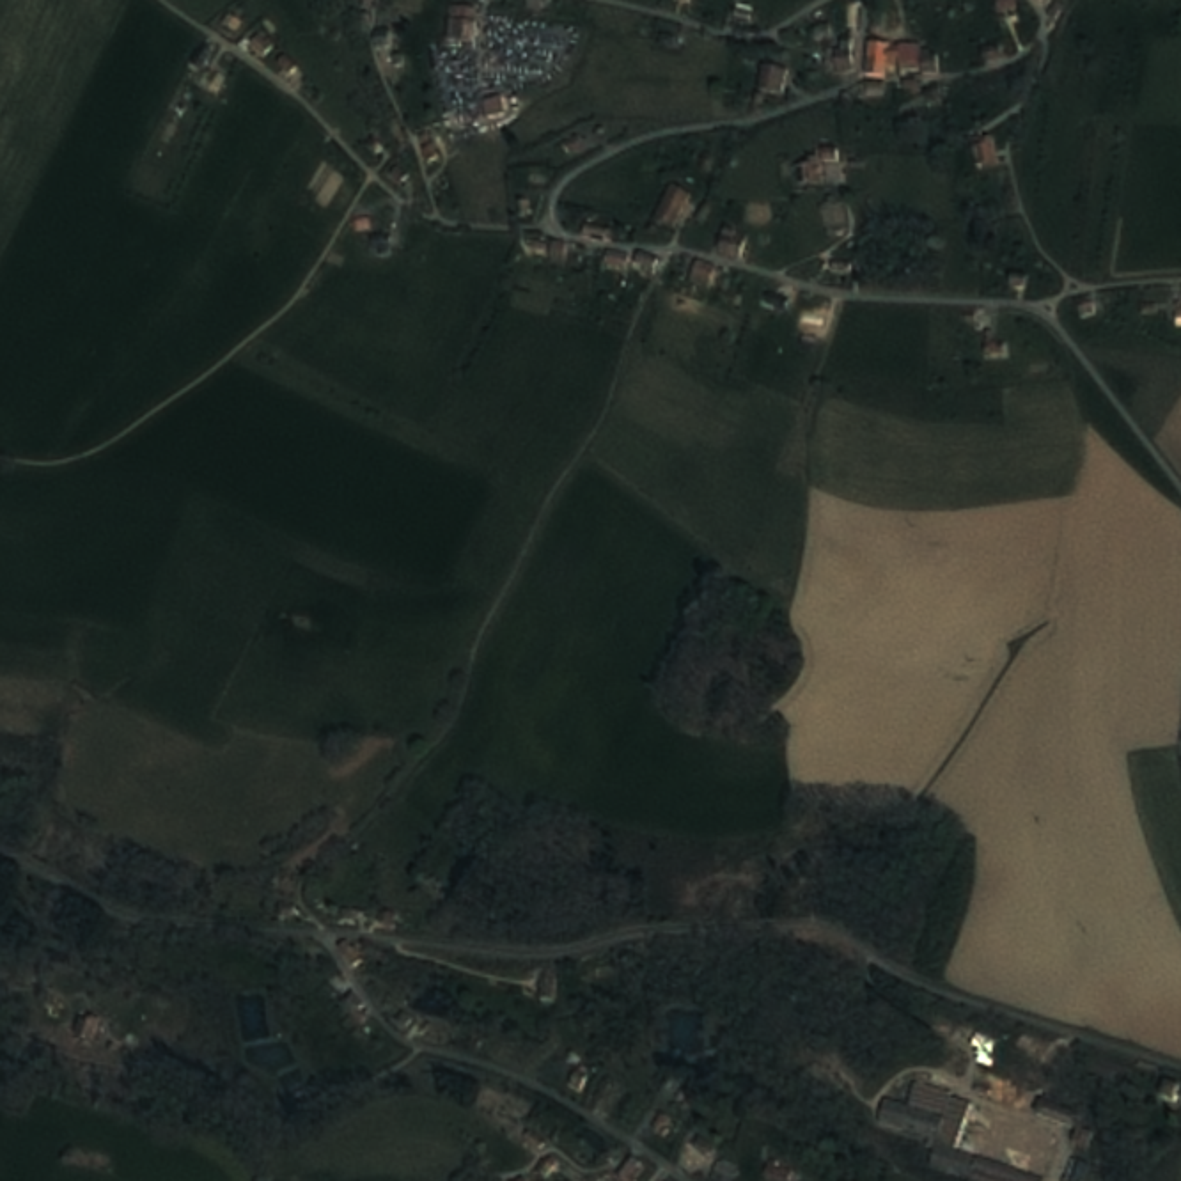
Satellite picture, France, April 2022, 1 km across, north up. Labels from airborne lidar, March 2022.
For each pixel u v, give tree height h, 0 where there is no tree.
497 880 26
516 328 0
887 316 0
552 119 0
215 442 0
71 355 0
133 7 0
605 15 0
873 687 0
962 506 0
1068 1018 0
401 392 0
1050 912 0
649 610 0
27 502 0
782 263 0
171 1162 0
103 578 0
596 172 0
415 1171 0
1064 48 0
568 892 24
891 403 0
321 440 0
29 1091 23
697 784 0
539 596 0
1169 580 0
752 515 0
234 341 0
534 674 0
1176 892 0
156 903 22
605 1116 0
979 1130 0
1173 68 0
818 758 0
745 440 0
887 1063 22
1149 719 0
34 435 0
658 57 0
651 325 0
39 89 0
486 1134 0
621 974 20
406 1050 0
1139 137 0
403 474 0
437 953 0
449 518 0
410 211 11
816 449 0
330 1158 0
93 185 0
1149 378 0
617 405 0
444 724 16
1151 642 0
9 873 28
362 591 0
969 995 0
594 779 0
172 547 0
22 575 0
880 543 0
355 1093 23
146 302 0
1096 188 0
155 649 0
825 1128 8
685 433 0
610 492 0
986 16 0
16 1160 0
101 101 0
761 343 0
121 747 0
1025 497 0
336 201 0
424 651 0
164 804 0
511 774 0
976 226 15
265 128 0
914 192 0
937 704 0
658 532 0
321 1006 0
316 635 0
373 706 0
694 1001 18
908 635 0
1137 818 0
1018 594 0
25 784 19
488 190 0
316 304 0
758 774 0
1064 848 0
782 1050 19
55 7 0
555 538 0
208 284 0
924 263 19
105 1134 0
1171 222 0
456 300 0
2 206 0
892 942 24
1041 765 0
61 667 0
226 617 0
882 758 0
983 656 0
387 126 0
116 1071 0
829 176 0
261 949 23
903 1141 0
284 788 0
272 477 0
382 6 12
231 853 0
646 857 0
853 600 0
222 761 0
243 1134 24
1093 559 0
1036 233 0
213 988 14
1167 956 0
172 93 0
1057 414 0
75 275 0
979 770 0
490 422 0
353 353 0
